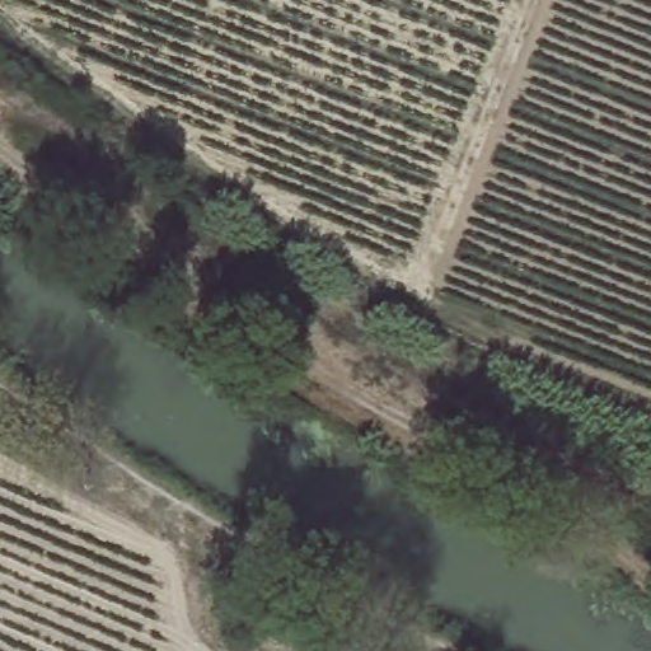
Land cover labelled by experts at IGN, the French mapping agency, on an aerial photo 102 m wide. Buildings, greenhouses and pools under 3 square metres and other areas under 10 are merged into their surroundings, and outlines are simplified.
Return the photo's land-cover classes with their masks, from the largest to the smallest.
<instances>
[{"label":"vineyard","instance_id":"1","mask_svg":"<svg viewBox=\"0 0 651 651\"><path fill-rule=\"evenodd\" d=\"M509 5L506 0H0V15H5L13 23L15 36L25 46L36 48L46 61H61L66 69H71L76 74L74 86L79 92H89L92 86H97L107 92L117 104L137 114V120L127 130V145L137 147L145 155L173 160L178 178L201 186L211 201L226 206H239L242 201H247L275 236L300 244H318L328 254H336L361 295V313H369L381 303L404 305L407 315L425 320V331L442 338L450 348H455L460 338H465L468 346L481 348L476 366L478 374H486L488 361L498 353L511 361L531 366L552 381L582 389L585 397H603L608 404L620 407L633 417L651 412V0H554V18L542 31L537 51L529 58V69L534 71L529 86L511 104L506 135L493 150L496 175H491L483 183V193L473 201L476 211L468 219L463 239L458 242V259L445 277V287H435V295L425 303L404 285H389L376 275L361 272V267L351 259L346 249L356 244L361 249L379 254L384 264L392 267L409 257L415 239L422 231L425 214L430 209L432 188L437 186L435 170L445 163L450 145L458 140L463 109L476 89V81L481 79L486 56L496 41L498 18ZM0 651H211L198 641L196 631L188 623L183 570L173 552V544L142 531L130 519L102 511L99 506L74 496L71 491L56 483L46 481L41 473L0 453Z\"/></svg>","mask_w":651,"mask_h":651},{"label":"deciduous trees","instance_id":"2","mask_svg":"<svg viewBox=\"0 0 651 651\"><path fill-rule=\"evenodd\" d=\"M76 74L71 69H66L61 61H46L36 48L25 46L15 36L13 23L5 15H0V92L28 97H33L41 107L51 109L53 114L64 117L69 122L66 132H48L43 125L10 114H3V125L8 127V137L13 140V145L25 158V173L28 183L23 186L20 209L15 211V219L0 226V252L15 257L43 290L74 298L92 313L97 323L122 328L135 338L145 341L147 346L163 351L196 384H201L203 392L214 394L224 409L239 415L242 420L262 415L275 422H287L298 435H310L313 440H333L338 448L361 453L369 468L384 470L397 483V488L407 493L409 501L422 514H427L437 526L458 537L483 539L498 549H509L511 570H534L549 580L572 585L593 600L613 605L618 613L628 618H641L643 626L651 631V412L633 417L620 407L608 404L603 397H585L582 389L552 381L531 366L511 361L498 353L488 361L486 374H478L476 366L481 348L468 346L465 338H460L455 348H450L442 338L425 331V320L407 315L404 305L381 303L369 313H361V295L336 254H328L318 244H300L275 236L247 201H242L239 206H226L211 201L201 186L178 178L173 160L145 155L137 147L127 145V130L137 120V114L117 104L107 92L97 86H92L89 92H79L74 86ZM326 298H348L353 303L336 320H328V326L323 328L336 346L348 343L356 348V361L351 366L353 379H361L369 387H379L384 379L392 376L399 381V389H427V404L415 409L409 422L412 432L407 435V442L392 437L384 422L376 417L364 422H348L308 399L313 392L323 387L318 379L308 374V369L315 361V348L310 343V323ZM626 544H631L633 552L648 562L646 587H638L633 582V575L618 565V549H623ZM13 333V328L3 326L0 320V453L41 473L46 481L56 483L69 468L84 465L81 455L64 450L61 442L46 437V430L51 427L53 417L66 407L74 389L56 387L46 374L25 376L18 359L8 356L3 348V341ZM122 458H130L135 468H140L145 476H150L155 483L173 491L175 496L196 501L209 514L221 519V526L214 529L211 539L206 542L209 554L203 559V570H214L226 557L234 559L231 582L214 580L211 575L206 580L211 593V613L219 620L226 651H254L264 641L308 643L310 651H529L524 646L506 643L504 623H486L478 610L463 613L445 608L442 615H437L435 605L427 600L430 587H412L407 580H399L394 567L384 557L369 552L359 542L343 539L338 531L300 529L292 509L285 501L270 498L264 504L262 519H252L247 531L236 529V511L224 498L196 491L188 481L175 476L158 458L140 455L127 445Z\"/></svg>","mask_w":651,"mask_h":651},{"label":"water","instance_id":"3","mask_svg":"<svg viewBox=\"0 0 651 651\"><path fill-rule=\"evenodd\" d=\"M0 320L3 326L13 328V333L3 341V348L8 356L18 359L25 376L46 374L56 387L74 389H84L89 399L102 404L107 425L127 445L140 455L158 458L175 476L188 481L196 491L224 498L236 511V529L247 531L252 519H262L264 504L270 498L285 501L292 509L300 529L338 531L343 539L359 542L369 552L384 557L394 567L399 580H407L412 587H430L427 600L435 605L437 615H442L445 608L463 613L478 610L486 623H504L506 643L524 646L529 651H651V631L643 626L641 618H628L618 613L613 605L593 600L572 585L549 580L534 570H511L509 549H498L483 539L458 537L437 526L427 514H422L409 501L407 493L397 488V483L384 470L369 468L361 453L338 448L333 440H313L310 435H298L287 422H275L262 415L242 420L239 415L224 409L214 394L203 392L201 384H196L163 351L147 346L145 341L135 338L122 328L97 323L92 313L74 298L43 290L15 257L0 252Z\"/></svg>","mask_w":651,"mask_h":651},{"label":"pervious surface","instance_id":"4","mask_svg":"<svg viewBox=\"0 0 651 651\"><path fill-rule=\"evenodd\" d=\"M509 5L498 18L496 41L486 56L481 79L476 81V89L463 109L458 140L450 145L445 163L435 170L437 186L432 188L430 209L425 214L422 231L415 239L409 257L392 267L384 264L379 254L361 249L356 244L346 249L351 259L361 267V272L376 275L389 285H404L425 303L435 295V287H445V277L458 259V242L463 239L468 219L476 211L473 201L483 193V183L491 175H496L493 150L506 135L511 104L529 86L534 71L529 69V58L537 51L542 31L554 18V0H506ZM28 97L0 92V165L10 168L15 175L25 173V158L13 145V140L8 137V127L3 125V114H10ZM353 303L348 298H326L310 323V343L315 348V361L308 369V374L318 379L323 387L313 392L308 399L348 422H364L376 417L384 422L392 437L407 442V435L412 432L409 422L415 409L427 404V389H399V381L392 376L384 379L379 387H369L361 379H353L351 366L356 361V348L348 343L336 346L323 328L328 326V320H336Z\"/></svg>","mask_w":651,"mask_h":651},{"label":"herbaceous vegetation","instance_id":"5","mask_svg":"<svg viewBox=\"0 0 651 651\"><path fill-rule=\"evenodd\" d=\"M10 114L43 125L48 132H66L69 122L64 117L53 114L51 109L41 107L33 97H28ZM46 437L61 442L64 450L81 455L84 465L69 468L56 483L71 491L74 496L99 506L102 511L130 519L142 531L173 544V552L183 570L188 623L196 631L198 641L211 651H226L219 620L211 613V593L206 580L211 575L214 580L231 582L234 559L226 557L214 570H203V559L209 554L206 542L211 539L214 529L221 526V519L209 514L196 501L175 496L173 491L155 483L150 476H145L140 468H135L130 458H122L127 445L107 425L102 404L89 399L84 389H74L66 407L53 417L51 427L46 430ZM618 565L633 575V582L638 587H646L648 562L633 552L631 544H626L623 549H618ZM254 651H310L308 643L264 641Z\"/></svg>","mask_w":651,"mask_h":651},{"label":"brushwood","instance_id":"6","mask_svg":"<svg viewBox=\"0 0 651 651\"><path fill-rule=\"evenodd\" d=\"M28 183L25 173L15 175L10 168L0 165V226L15 219V211L20 209L23 186Z\"/></svg>","mask_w":651,"mask_h":651}]
</instances>
